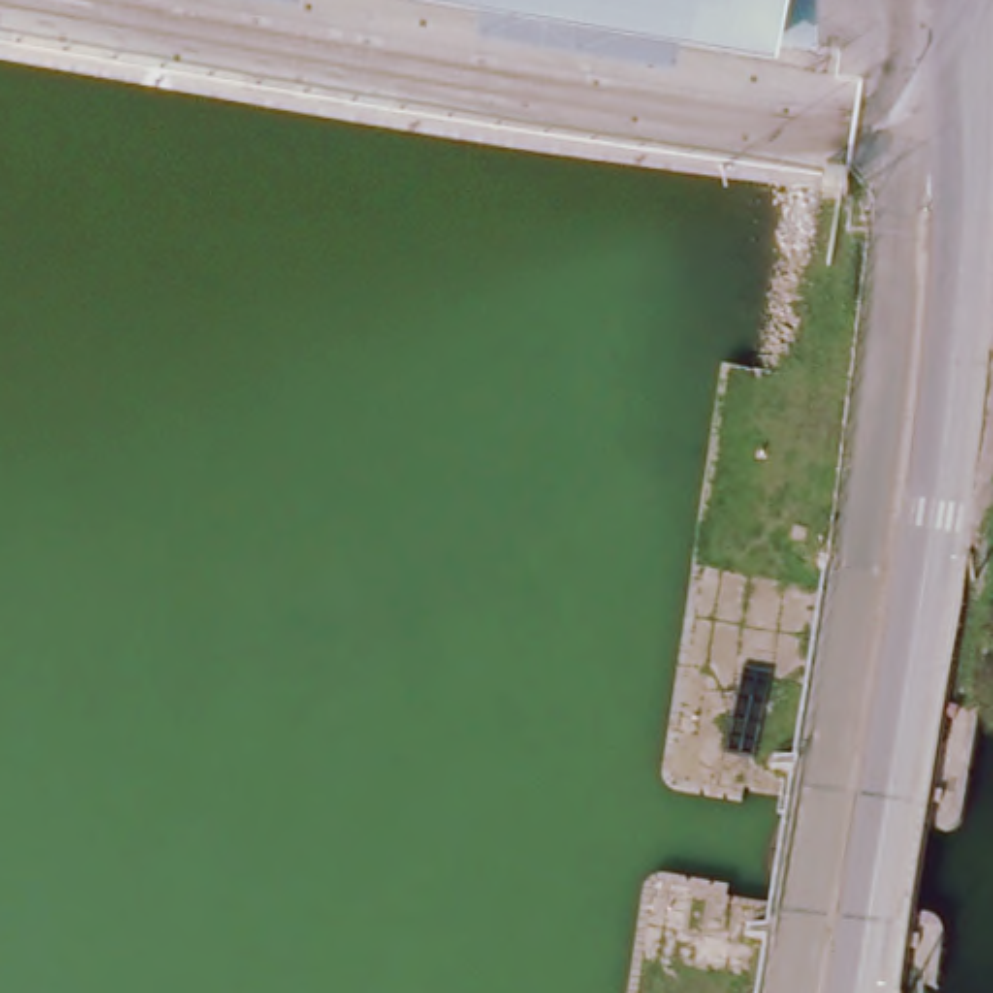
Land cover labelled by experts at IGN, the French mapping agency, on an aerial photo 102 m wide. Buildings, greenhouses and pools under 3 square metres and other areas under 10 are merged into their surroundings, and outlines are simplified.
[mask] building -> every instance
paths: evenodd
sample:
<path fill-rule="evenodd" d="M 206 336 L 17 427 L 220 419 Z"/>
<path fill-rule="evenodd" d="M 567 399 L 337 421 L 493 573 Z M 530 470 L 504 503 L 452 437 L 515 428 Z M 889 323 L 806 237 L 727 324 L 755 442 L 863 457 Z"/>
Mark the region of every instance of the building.
<path fill-rule="evenodd" d="M 465 4 L 477 16 L 477 35 L 644 66 L 675 66 L 683 43 L 733 47 L 776 58 L 791 39 L 791 0 L 446 0 Z"/>
<path fill-rule="evenodd" d="M 772 663 L 745 663 L 737 702 L 721 718 L 725 749 L 756 756 L 776 675 Z"/>

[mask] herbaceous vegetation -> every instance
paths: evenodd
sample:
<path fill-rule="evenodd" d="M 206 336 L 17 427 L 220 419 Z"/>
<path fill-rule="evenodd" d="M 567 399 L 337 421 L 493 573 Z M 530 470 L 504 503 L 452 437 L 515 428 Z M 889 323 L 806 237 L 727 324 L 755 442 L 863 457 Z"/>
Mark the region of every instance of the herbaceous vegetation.
<path fill-rule="evenodd" d="M 977 597 L 985 590 L 993 593 L 993 508 L 985 512 L 981 531 L 970 543 L 958 632 L 943 694 L 946 702 L 962 706 L 962 683 L 989 656 L 989 648 L 970 640 L 970 625 L 977 613 Z"/>
<path fill-rule="evenodd" d="M 865 213 L 861 198 L 826 198 L 815 209 L 811 248 L 776 252 L 764 345 L 741 345 L 718 384 L 710 469 L 694 531 L 694 562 L 729 574 L 772 578 L 795 590 L 822 586 L 822 570 L 815 566 L 815 559 L 830 551 L 842 446 L 857 434 L 857 400 L 865 380 L 865 337 L 857 334 L 857 318 L 869 314 L 869 287 L 861 283 Z"/>
<path fill-rule="evenodd" d="M 927 912 L 912 904 L 904 931 L 900 993 L 927 993 L 931 989 L 915 970 L 915 946 Z"/>
<path fill-rule="evenodd" d="M 799 725 L 807 671 L 776 675 L 756 756 L 791 753 L 791 737 Z"/>
<path fill-rule="evenodd" d="M 675 974 L 667 977 L 659 962 L 640 962 L 632 954 L 625 993 L 753 993 L 753 974 L 745 970 L 690 966 L 683 958 L 671 958 Z"/>

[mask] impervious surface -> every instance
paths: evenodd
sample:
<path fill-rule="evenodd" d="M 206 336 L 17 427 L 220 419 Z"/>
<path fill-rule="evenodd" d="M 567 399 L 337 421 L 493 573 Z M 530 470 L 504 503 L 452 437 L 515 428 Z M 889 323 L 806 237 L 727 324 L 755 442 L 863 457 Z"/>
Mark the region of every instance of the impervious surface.
<path fill-rule="evenodd" d="M 935 912 L 927 912 L 915 946 L 915 970 L 931 989 L 939 981 L 943 923 Z"/>
<path fill-rule="evenodd" d="M 912 904 L 923 834 L 954 830 L 962 818 L 977 721 L 974 710 L 962 706 L 946 702 L 943 694 L 958 632 L 970 543 L 981 531 L 985 512 L 993 508 L 993 0 L 791 0 L 791 39 L 776 58 L 733 47 L 683 43 L 675 66 L 644 66 L 477 35 L 477 16 L 465 4 L 446 0 L 0 0 L 0 62 L 23 62 L 43 70 L 89 74 L 171 93 L 221 97 L 260 109 L 306 112 L 326 120 L 465 144 L 764 182 L 780 213 L 776 252 L 811 248 L 815 209 L 826 198 L 861 198 L 865 213 L 861 283 L 869 287 L 869 314 L 857 318 L 857 334 L 865 337 L 865 380 L 857 400 L 857 434 L 842 446 L 830 551 L 815 559 L 815 566 L 822 570 L 822 586 L 795 590 L 772 578 L 729 574 L 694 562 L 663 741 L 663 784 L 671 791 L 710 799 L 741 799 L 749 791 L 776 799 L 768 896 L 745 900 L 729 896 L 721 881 L 656 873 L 644 881 L 640 892 L 632 954 L 640 962 L 659 962 L 667 977 L 675 974 L 671 958 L 683 958 L 690 966 L 745 970 L 753 974 L 753 993 L 900 993 L 904 931 Z M 791 737 L 791 753 L 756 756 L 725 749 L 721 718 L 737 702 L 745 663 L 772 663 L 776 675 L 807 671 L 799 725 Z"/>

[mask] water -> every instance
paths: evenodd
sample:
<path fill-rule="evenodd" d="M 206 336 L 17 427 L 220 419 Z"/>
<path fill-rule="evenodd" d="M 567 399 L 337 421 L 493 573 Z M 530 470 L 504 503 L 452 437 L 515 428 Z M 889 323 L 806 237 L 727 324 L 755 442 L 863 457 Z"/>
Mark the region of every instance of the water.
<path fill-rule="evenodd" d="M 640 892 L 644 881 L 656 873 L 721 881 L 729 896 L 745 900 L 768 896 L 776 799 L 749 791 L 741 799 L 710 799 L 671 791 L 663 784 L 663 741 L 694 562 L 694 531 L 710 469 L 718 384 L 741 345 L 764 345 L 776 252 L 780 213 L 764 182 L 465 144 L 326 120 L 306 112 L 260 109 L 221 97 L 171 93 L 89 74 L 43 70 L 23 62 L 0 62 L 0 993 L 625 993 L 632 954 Z"/>
<path fill-rule="evenodd" d="M 943 923 L 939 981 L 931 989 L 927 993 L 993 993 L 993 725 L 977 721 L 962 818 L 954 830 L 923 834 L 912 904 L 927 912 L 935 912 Z"/>

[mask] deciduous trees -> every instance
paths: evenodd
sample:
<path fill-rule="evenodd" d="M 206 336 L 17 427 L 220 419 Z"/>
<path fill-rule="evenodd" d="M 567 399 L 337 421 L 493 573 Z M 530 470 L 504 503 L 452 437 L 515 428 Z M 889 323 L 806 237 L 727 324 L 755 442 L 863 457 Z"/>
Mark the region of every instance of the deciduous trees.
<path fill-rule="evenodd" d="M 993 725 L 993 593 L 985 590 L 977 597 L 977 613 L 970 625 L 970 640 L 989 648 L 989 656 L 962 683 L 962 706 L 974 710 L 977 721 Z"/>

